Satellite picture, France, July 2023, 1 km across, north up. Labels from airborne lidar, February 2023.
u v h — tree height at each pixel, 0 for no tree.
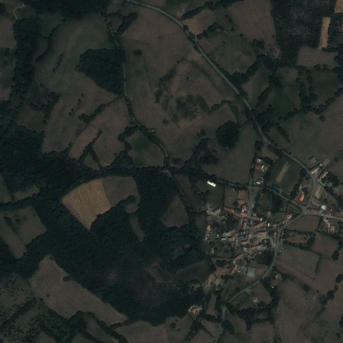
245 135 0
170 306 16
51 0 24
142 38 0
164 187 13
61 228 22
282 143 0
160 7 0
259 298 0
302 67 13
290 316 0
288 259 0
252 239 10
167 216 0
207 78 0
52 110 14
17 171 24
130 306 13
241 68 0
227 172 0
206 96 0
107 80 10
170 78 0
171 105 0
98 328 0
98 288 19
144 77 0
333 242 0
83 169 15
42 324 9
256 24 0
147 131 16
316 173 0
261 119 16
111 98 0
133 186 0
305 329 0
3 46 0
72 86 0
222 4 16
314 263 0
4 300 0
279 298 9
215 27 17
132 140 0
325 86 0
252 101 0
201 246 16
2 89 0
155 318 14
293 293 0
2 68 0
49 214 23
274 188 9
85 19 0
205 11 0
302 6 9
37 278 0
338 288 11
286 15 7
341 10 0
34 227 0
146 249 12
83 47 0
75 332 13
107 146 0
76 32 0
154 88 0
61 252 12
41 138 11
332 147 0
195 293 13
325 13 6
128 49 0
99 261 11
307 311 0
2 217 0
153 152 0
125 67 0
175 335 0
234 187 10
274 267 8
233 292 0
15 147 15
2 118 16
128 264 9
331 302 0
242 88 13
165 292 8
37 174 23
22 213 0
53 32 14
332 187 11
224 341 0
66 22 9
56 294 0
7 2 0
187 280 0
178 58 0
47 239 13
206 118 0
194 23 0
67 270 8
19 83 19
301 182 9
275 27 7
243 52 0
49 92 0
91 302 0
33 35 21
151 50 0
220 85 0
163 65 0
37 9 18
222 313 12
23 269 13
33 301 9
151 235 8
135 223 0
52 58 0
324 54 0
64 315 0
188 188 0
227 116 0
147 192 9
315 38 9
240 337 0
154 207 11
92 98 0
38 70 0
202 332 0
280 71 0
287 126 0
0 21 0
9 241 0
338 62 18
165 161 10
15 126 9
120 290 14
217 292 11
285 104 0
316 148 0
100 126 0
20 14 0
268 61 18
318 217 0
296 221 0
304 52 0
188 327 0
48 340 0
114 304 15
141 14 0
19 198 0
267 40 0
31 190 0
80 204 0
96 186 0
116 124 0
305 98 18
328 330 0
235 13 0
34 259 11
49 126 0
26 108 0
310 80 19
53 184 14
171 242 29
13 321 9
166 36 0
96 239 8
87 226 0
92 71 13
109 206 0
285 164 0
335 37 16
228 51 0
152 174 16
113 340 0
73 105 0
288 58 7
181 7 0
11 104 17
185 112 0
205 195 10
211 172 0
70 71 0
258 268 0
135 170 23
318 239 0
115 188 0
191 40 13
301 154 0
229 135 18
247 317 16
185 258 24
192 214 12
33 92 0
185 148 0
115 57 8
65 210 31
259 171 0
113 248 16
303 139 0
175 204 0
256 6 0
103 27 0
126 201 12
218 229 7
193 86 0
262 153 0
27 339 6
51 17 0
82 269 6
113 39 19
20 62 18
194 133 0
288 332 0
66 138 0
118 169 12
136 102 0
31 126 0
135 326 0
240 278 0
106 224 20
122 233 13
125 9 0
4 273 17
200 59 0
